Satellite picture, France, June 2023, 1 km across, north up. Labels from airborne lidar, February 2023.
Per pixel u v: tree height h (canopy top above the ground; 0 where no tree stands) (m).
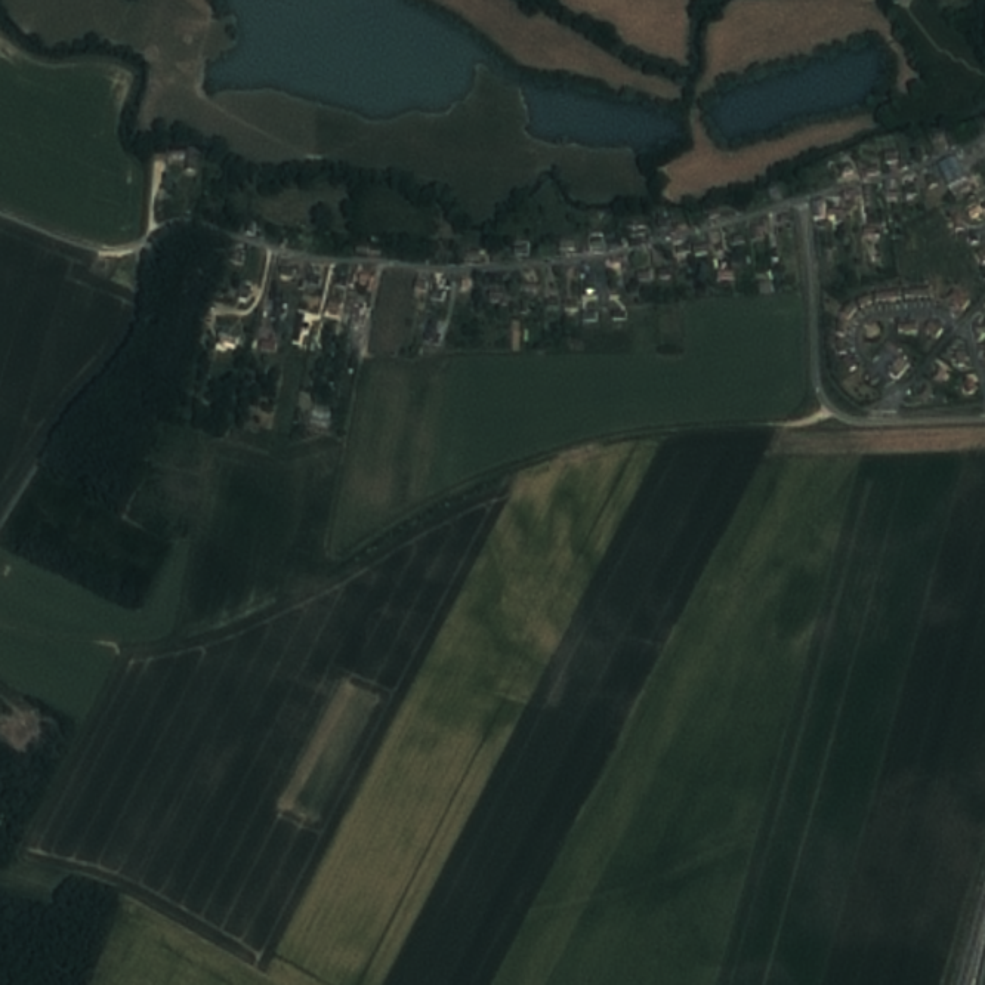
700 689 0
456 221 18
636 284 10
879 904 0
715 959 0
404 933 0
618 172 0
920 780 0
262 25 0
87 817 0
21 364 0
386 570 0
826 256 0
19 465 0
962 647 0
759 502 0
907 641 0
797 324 0
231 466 0
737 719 0
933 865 0
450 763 0
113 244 0
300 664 0
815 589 0
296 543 0
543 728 0
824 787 0
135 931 0
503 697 0
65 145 0
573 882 0
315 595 0
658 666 0
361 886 0
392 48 0
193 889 0
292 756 0
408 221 0
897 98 17
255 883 0
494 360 0
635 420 0
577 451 0
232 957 0
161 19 0
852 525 0
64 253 0
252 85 0
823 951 0
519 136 0
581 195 0
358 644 0
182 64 0
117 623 0
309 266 0
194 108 0
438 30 0
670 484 0
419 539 0
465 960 0
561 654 0
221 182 8
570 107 0
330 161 6
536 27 0
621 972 0
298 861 0
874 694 0
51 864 0
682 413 0
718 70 0
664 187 20
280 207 0
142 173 0
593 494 0
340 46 0
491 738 0
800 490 0
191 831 0
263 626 0
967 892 0
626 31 0
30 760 16
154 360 23
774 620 0
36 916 20
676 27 0
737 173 0
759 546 0
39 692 0
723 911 0
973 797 0
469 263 0
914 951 0
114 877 0
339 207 0
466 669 0
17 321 0
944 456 0
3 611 0
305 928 0
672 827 0
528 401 0
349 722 0
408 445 0
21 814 19
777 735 0
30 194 0
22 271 0
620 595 0
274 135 0
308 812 0
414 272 0
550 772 0
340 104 0
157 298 23
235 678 0
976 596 0
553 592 0
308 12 0
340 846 0
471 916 0
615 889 0
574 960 0
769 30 0
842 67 0
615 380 0
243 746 0
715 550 0
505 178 0
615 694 0
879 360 0
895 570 0
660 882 0
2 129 0
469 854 0
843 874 0
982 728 0
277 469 0
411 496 0
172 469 0
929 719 0
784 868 0
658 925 0
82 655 0
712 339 0
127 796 0
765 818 0
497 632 0
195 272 23
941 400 0
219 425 15
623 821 0
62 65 0
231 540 0
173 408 19
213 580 0
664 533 0
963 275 0
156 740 0
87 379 0
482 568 0
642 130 0
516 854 0
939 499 0
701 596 0
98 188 0
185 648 0
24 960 17
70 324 0
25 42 8
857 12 0
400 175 14
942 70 0
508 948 0
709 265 6
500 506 0
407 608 0
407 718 0
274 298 7
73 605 0
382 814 0
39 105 0
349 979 0
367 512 0
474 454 0
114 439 23
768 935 0
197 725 0
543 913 0
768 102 0
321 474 0
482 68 0
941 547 0
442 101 0
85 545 0
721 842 0
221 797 0
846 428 0
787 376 0
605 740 0
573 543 0
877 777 0
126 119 8
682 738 0
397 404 0
